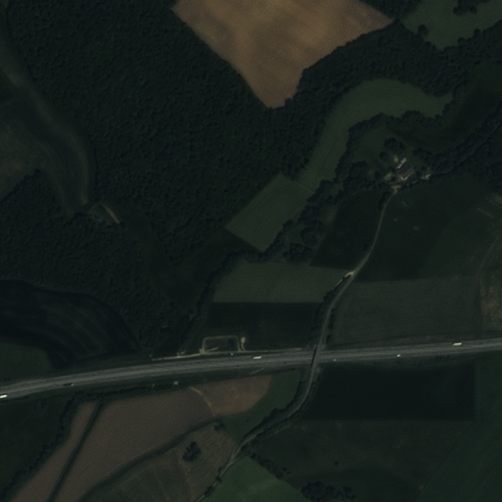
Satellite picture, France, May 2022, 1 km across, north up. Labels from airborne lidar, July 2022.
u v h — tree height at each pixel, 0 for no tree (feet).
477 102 0
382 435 0
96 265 57
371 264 0
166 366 0
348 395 0
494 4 0
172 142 36
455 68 46
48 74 70
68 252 54
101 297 46
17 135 0
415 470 0
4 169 0
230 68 48
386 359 0
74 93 52
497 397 0
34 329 0
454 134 0
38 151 0
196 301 0
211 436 0
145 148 69
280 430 55
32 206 80
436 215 0
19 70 0
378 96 0
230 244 0
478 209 0
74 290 47
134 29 62
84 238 55
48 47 68
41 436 0
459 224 0
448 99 0
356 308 0
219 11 0
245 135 61
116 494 0
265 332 0
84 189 0
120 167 50
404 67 47
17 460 0
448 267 0
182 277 0
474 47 48
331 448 0
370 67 46
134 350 0
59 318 0
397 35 51
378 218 0
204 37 0
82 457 0
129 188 52
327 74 37
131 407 0
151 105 56
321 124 65
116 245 54
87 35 73
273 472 38
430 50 40
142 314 46
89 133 32
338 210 0
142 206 39
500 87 0
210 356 0
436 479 0
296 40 0
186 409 0
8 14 52
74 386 0
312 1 0
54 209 69
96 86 62
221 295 0
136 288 58
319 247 0
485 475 0
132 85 57
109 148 57
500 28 58
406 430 0
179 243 47
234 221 0
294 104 45
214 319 0
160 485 0
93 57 48
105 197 56
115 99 64
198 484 0
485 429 0
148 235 0
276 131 57
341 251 0
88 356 0
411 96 0
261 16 0
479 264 0
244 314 0
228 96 58
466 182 0
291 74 0
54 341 0
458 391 0
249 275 0
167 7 58
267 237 0
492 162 0
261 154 59
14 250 56
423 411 0
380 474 0
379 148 0
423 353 0
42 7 48
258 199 0
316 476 0
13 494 43
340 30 0
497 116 48
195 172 56
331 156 0
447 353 0
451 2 0
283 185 0
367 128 68
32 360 0
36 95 0
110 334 0
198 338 0
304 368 0
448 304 0
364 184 44
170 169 59
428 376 0
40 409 22
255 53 0
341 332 0
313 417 0
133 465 0
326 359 0
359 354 0
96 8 65
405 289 0
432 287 0
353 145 66
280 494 0
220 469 24
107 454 0
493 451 0
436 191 0
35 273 52
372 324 0
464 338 0
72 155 0
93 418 0
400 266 0
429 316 0
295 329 0
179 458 0
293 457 0
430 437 0
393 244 0
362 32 0
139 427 0
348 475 0
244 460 0
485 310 0
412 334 0
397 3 43
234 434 0
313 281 0
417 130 0
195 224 44
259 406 0
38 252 52
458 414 0
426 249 0
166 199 47
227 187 40
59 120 0
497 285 0
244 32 0
